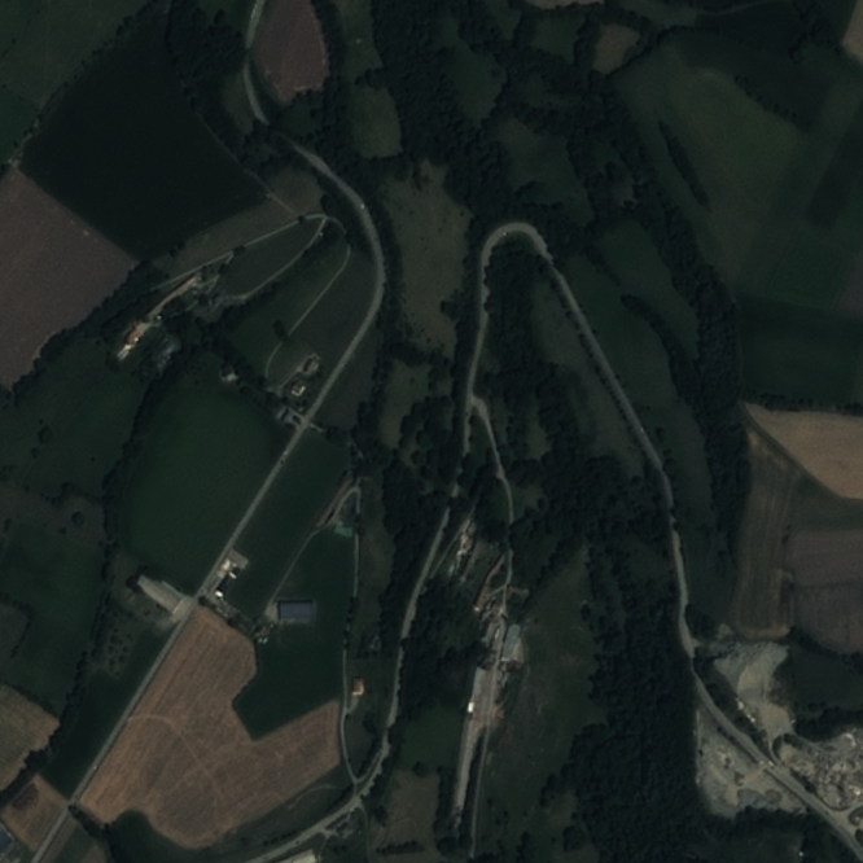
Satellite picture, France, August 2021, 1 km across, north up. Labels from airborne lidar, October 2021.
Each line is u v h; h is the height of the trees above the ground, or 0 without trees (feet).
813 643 40
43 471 0
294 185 0
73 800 0
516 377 69
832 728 52
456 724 0
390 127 0
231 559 0
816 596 0
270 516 0
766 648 0
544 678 0
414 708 43
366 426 59
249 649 0
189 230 0
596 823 63
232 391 0
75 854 0
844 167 0
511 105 57
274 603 0
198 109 65
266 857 0
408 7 91
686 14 0
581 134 59
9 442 0
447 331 0
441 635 50
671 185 0
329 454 0
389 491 58
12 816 0
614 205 67
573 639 0
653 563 0
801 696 0
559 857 0
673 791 56
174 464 0
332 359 0
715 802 0
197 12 50
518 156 0
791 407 30
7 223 0
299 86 0
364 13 0
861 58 0
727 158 0
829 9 0
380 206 52
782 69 0
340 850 24
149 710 0
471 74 0
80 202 0
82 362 0
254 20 0
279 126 21
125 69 0
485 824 0
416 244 0
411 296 0
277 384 0
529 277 62
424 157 71
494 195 99
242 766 0
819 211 0
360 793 0
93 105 0
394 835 0
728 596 0
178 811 0
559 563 71
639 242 0
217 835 0
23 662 0
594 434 0
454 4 62
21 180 0
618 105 61
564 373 38
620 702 67
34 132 35
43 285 0
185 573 0
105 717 0
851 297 0
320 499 0
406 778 0
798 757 0
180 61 62
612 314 0
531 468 63
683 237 64
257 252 0
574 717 0
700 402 73
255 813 0
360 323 0
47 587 0
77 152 0
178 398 0
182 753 0
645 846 58
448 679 50
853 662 31
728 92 0
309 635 0
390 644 78
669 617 55
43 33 0
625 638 51
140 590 36
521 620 20
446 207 0
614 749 76
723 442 46
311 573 0
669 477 33
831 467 0
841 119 0
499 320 74
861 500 0
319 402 0
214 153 0
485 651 27
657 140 0
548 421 67
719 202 0
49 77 0
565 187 0
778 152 0
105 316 46
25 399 59
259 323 0
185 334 47
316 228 0
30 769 61
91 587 0
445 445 67
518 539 62
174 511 0
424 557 59
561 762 0
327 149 62
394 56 79
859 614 0
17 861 0
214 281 0
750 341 0
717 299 29
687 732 48
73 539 0
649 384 0
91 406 0
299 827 0
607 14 66
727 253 0
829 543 0
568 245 52
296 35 0
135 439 35
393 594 55
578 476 63
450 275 0
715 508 31
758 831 74
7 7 0
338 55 52
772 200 0
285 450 0
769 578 0
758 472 0
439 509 55
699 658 30
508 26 0
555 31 0
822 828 34
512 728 0
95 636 23
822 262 0
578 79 69
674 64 0
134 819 0
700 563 0
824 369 0
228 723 0
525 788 0
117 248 0
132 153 0
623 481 41
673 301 0
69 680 0
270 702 0
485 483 61
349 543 0
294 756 0
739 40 23
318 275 0
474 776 33
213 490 0
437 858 0
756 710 0
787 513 0
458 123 25
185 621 0
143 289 50
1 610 0
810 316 0
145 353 22
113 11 0
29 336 0
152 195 0
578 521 90
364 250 31
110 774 0
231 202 0
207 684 0
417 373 0
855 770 0
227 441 0
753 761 0
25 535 0
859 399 0
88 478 0
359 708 0
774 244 0
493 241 0
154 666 0
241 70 66
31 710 0
